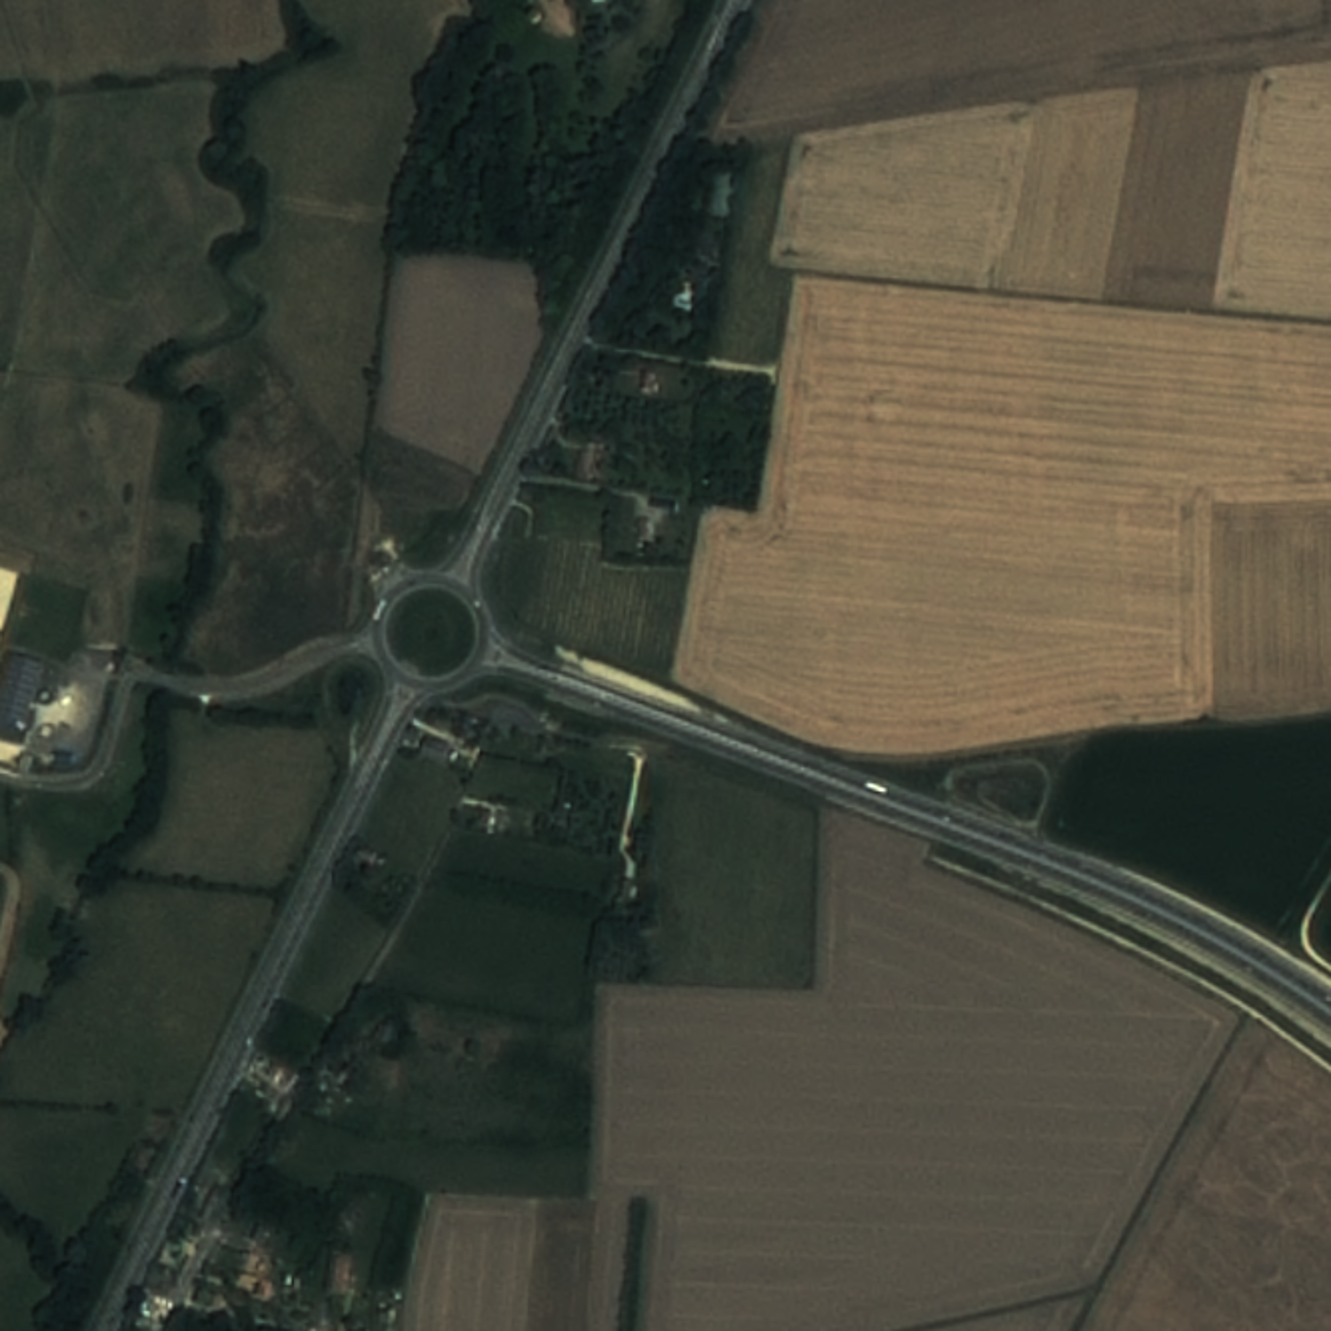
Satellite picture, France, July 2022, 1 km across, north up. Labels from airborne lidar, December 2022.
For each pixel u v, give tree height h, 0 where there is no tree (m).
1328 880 0
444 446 0
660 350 14
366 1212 0
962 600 0
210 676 0
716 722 0
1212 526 0
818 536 0
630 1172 0
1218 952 0
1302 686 0
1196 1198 0
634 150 22
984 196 0
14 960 0
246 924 0
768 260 0
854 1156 0
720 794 0
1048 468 0
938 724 0
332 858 0
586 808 8
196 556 10
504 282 0
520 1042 0
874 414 0
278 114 0
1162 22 0
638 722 0
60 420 0
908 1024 0
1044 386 0
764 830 0
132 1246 0
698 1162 0
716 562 0
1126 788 0
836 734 0
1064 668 0
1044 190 0
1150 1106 0
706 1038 0
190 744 0
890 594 0
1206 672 0
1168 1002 0
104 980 0
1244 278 0
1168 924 0
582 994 0
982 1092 0
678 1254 0
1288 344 0
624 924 13
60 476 0
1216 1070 0
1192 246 0
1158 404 0
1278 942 0
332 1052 12
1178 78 0
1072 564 0
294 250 0
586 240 20
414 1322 0
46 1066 0
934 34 0
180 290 0
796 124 0
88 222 0
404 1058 0
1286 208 0
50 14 0
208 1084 0
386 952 0
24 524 0
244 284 0
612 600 0
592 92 10
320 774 0
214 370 0
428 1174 0
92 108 0
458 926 0
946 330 0
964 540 0
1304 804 0
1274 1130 0
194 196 0
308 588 0
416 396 0
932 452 0
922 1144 0
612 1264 0
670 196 17
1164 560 0
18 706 0
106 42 0
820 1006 0
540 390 0
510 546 0
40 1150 0
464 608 0
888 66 0
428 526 0
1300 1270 0
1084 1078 0
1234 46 0
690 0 10
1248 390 0
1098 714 0
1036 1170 0
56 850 0
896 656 0
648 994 0
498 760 9
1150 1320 0
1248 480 0
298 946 0
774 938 0
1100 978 0
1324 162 0
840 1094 0
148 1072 0
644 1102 0
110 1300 0
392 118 0
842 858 0
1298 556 0
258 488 0
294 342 0
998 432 0
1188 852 0
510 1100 0
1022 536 0
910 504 0
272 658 0
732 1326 0
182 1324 18
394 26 0
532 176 6
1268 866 0
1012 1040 0
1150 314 0
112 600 0
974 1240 0
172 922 0
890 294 0
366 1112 0
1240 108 0
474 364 0
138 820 15
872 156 0
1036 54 0
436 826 0
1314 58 0
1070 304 0
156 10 0
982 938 0
